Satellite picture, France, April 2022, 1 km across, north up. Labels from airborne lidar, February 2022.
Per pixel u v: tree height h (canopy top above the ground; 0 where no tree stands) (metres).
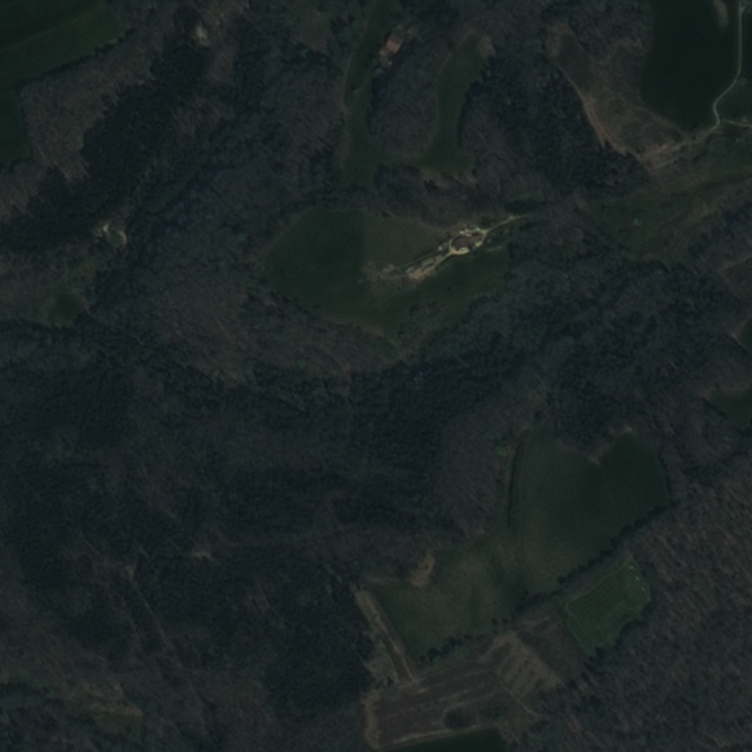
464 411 29
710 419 32
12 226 15
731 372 24
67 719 24
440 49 16
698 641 25
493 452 34
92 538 22
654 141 0
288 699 18
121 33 0
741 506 24
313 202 16
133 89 16
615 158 21
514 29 32
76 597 18
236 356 30
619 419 27
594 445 21
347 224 0
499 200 29
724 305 22
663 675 29
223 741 19
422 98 30
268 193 31
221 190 37
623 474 0
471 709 0
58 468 21
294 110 36
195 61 24
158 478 23
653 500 0
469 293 0
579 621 0
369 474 17
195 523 31
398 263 0
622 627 0
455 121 0
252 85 30
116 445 26
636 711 25
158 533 26
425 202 25
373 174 0
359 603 30
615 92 0
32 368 23
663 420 25
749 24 0
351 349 33
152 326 27
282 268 0
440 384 37
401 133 29
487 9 31
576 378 23
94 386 27
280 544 20
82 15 0
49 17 0
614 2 26
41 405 22
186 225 31
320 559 21
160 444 18
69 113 17
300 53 17
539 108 26
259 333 35
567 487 0
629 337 26
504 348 34
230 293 31
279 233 18
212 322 32
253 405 35
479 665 0
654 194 0
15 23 0
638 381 29
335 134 16
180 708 31
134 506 25
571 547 0
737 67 0
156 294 30
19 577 16
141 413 25
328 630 19
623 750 27
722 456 32
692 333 28
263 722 18
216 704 17
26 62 0
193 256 31
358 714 25
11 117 0
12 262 16
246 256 23
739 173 0
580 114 25
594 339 34
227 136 28
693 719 26
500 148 29
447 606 0
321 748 22
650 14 7
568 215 34
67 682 25
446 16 18
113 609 17
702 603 28
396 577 16
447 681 0
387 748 0
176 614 21
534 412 32
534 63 28
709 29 0
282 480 21
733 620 27
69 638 17
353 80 0
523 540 0
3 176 19
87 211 25
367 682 25
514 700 0
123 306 21
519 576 0
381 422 16
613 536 0
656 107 0
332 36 0
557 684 0
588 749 28
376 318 0
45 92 17
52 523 20
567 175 26
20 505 19
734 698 24
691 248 0
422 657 0
